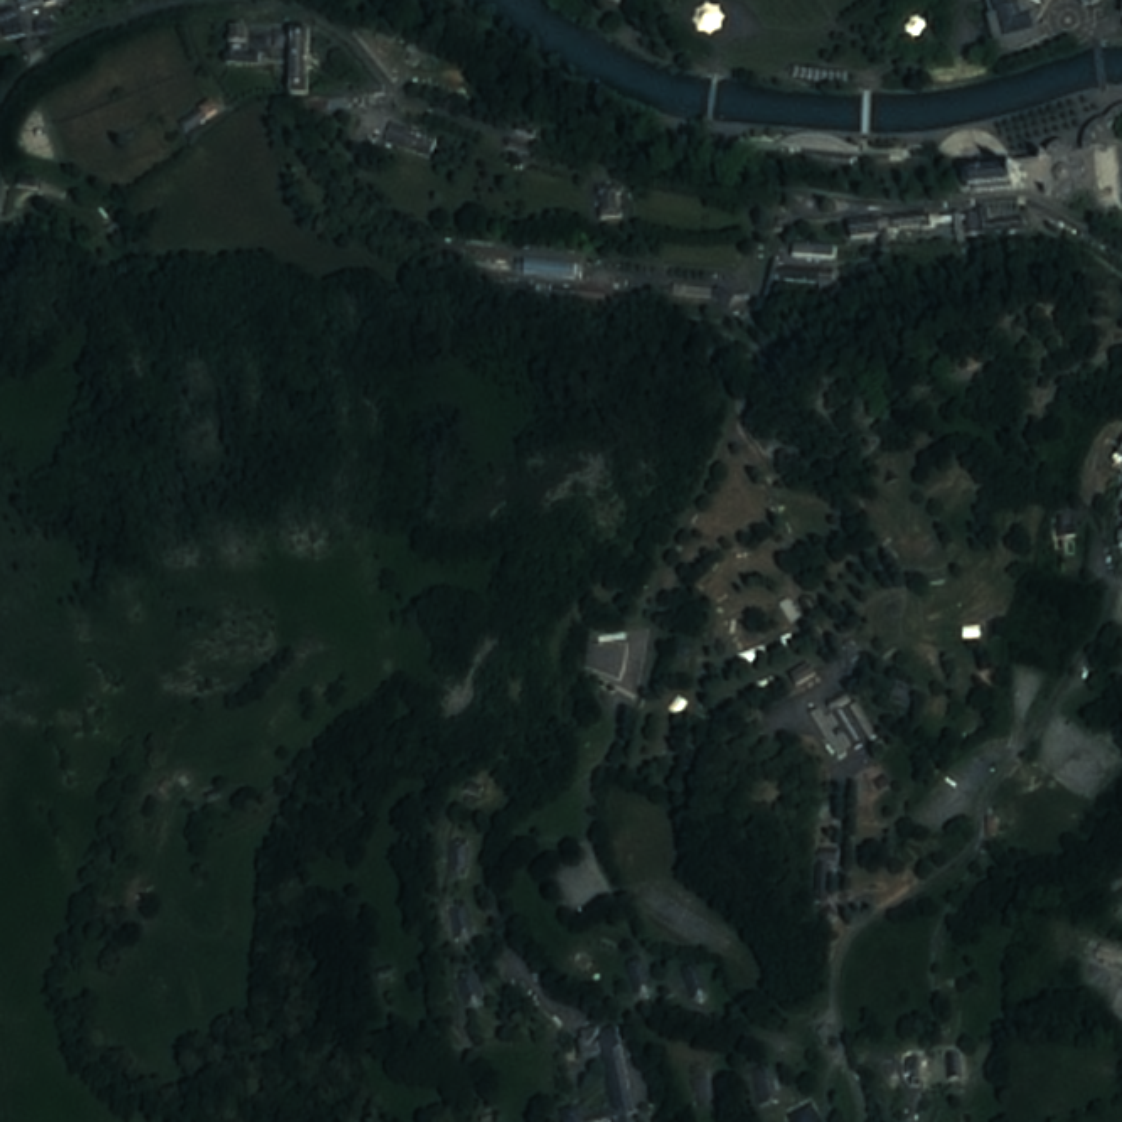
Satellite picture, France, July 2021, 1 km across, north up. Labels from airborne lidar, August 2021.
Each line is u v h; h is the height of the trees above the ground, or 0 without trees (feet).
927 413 104
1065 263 91
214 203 0
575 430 30
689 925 0
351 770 27
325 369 23
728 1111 83
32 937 0
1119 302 0
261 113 0
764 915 56
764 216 85
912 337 74
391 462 58
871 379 52
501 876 90
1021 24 0
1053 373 60
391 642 0
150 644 0
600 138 94
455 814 67
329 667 0
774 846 68
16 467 33
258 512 23
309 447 27
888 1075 0
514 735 43
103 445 30
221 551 0
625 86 0
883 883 0
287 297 24
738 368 112
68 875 0
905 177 81
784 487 45
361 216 52
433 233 48
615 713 0
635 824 0
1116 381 62
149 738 40
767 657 82
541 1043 46
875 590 0
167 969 0
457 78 0
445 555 30
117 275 45
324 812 98
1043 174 0
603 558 58
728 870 51
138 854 0
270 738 0
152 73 0
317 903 74
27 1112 0
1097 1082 0
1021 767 0
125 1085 69
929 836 48
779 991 64
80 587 43
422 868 87
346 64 34
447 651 37
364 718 50
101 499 22
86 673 0
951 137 0
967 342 52
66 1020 54
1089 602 34
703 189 60
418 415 26
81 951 63
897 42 66
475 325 59
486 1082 89
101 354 45
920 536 0
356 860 55
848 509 53
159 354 40
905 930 0
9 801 0
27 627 0
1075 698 0
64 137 0
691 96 0
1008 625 79
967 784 0
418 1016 0
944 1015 50
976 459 66
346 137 47
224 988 0
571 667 45
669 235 65
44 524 31
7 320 43
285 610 0
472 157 33
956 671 44
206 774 0
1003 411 83
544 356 35
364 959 67
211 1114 68
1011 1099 44
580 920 61
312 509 26
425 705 37
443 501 20
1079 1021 32
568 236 69
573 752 75
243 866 0
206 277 44
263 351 30
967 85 0
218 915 0
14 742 0
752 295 0
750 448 0
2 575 0
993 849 71
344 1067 84
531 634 40
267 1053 72
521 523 32
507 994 51
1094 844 47
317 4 60
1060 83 0
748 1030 59
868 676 78
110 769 28
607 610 65
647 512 58
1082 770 0
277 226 0
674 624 86
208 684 29
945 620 0
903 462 0
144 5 0
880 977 0
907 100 0
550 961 46
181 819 0
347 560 0
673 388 24
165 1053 0
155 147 0
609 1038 0
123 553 53
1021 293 62
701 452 60
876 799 0
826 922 75
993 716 46
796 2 0
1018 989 79
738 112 0
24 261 24
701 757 60
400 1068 77
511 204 28
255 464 48
